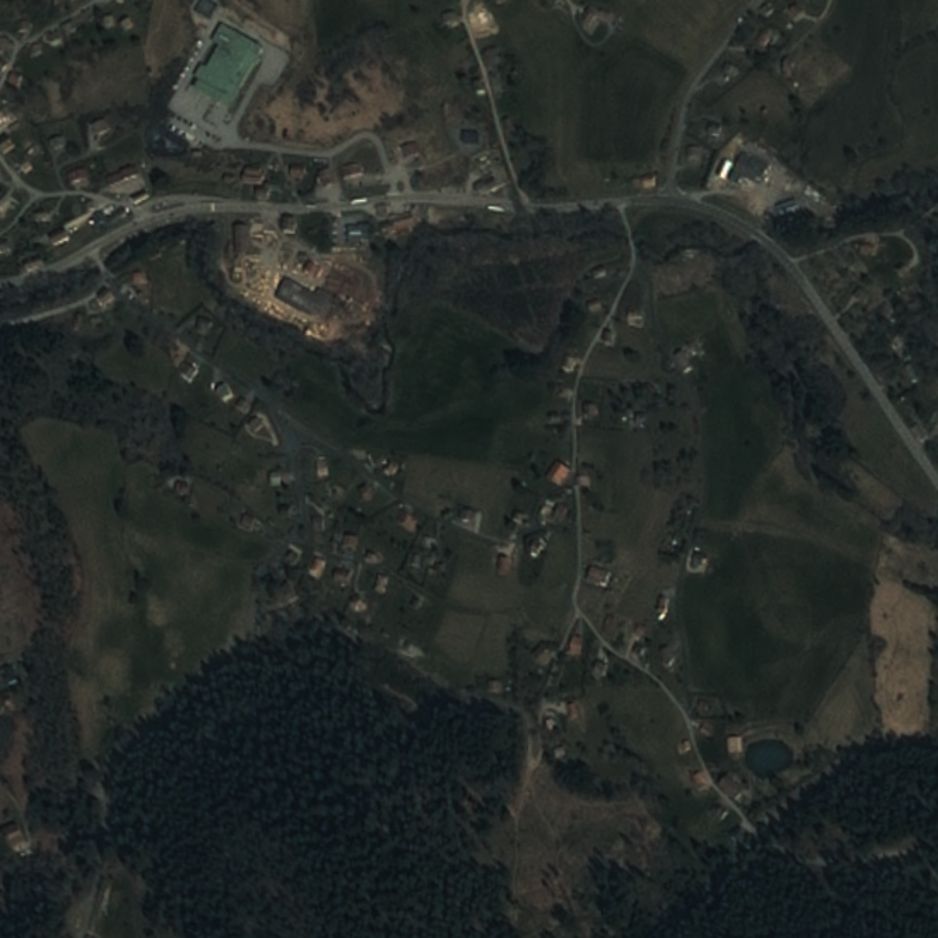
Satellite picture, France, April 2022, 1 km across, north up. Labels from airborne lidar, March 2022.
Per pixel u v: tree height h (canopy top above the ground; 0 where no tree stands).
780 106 0
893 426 0
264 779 33
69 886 17
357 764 30
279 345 15
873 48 0
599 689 0
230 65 0
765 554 0
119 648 0
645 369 0
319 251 0
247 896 17
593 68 0
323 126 0
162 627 0
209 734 25
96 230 0
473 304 6
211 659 0
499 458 0
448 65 0
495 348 0
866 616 0
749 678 0
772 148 0
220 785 25
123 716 0
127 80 0
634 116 0
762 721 0
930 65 0
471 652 0
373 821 28
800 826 27
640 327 0
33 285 15
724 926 33
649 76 0
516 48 0
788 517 0
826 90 0
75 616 11
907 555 0
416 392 0
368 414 0
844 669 0
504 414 0
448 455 0
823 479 24
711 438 0
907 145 0
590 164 0
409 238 0
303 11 0
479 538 0
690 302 0
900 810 32
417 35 0
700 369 0
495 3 0
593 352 0
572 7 0
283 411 0
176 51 0
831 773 0
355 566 8
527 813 0
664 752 0
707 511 0
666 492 0
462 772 29
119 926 0
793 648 0
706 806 0
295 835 21
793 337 8
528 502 0
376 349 14
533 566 0
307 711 24
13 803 0
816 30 0
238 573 0
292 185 0
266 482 0
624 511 0
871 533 0
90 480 0
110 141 0
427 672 0
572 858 0
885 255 0
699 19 0
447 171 0
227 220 0
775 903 30
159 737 23
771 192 0
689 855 16
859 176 0
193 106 0
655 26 0
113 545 0
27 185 0
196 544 0
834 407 14
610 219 21
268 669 21
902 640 0
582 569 0
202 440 0
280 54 0
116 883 10
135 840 24
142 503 0
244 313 17
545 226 20
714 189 0
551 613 0
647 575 0
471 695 9
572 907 16
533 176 12
